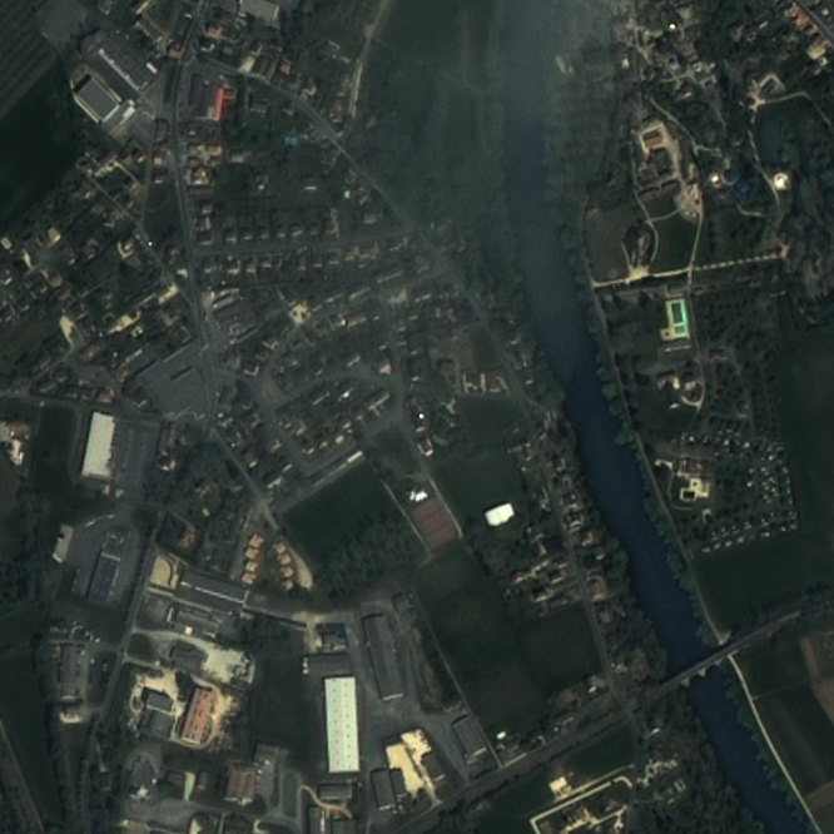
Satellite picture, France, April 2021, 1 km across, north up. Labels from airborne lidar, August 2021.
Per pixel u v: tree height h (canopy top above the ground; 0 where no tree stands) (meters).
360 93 11
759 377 6
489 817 0
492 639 0
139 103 0
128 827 0
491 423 0
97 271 0
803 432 0
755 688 0
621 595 21
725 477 10
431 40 0
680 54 8
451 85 8
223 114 10
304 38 18
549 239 0
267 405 0
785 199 16
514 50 0
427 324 8
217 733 0
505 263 40
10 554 0
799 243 14
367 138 18
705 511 0
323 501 0
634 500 0
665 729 6
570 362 0
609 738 0
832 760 0
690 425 0
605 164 8
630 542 0
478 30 0
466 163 12
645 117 7
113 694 0
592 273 9
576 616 0
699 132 19
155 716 0
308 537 0
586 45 12
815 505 0
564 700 0
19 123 0
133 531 0
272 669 0
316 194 0
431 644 11
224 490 19
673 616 0
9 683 0
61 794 14
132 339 8
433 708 0
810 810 0
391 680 0
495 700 0
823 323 8
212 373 0
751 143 17
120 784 8
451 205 0
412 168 25
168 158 0
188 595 0
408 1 0
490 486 0
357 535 0
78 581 0
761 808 0
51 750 16
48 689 19
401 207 8
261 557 0
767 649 14
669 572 7
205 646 0
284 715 0
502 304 14
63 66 6
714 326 9
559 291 0
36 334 0
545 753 0
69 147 0
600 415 0
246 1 0
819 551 0
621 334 15
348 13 9
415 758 0
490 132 23
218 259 7
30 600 32
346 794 0
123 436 0
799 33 6
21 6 10
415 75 0
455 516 0
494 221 10
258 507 0
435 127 26
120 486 0
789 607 19
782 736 0
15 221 0
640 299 0
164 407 0
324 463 0
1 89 11
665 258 0
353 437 0
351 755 0
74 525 0
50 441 0
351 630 0
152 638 0
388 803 0
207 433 0
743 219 0
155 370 0
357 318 0
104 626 0
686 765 10
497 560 13
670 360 0
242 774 0
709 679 0
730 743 0
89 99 0
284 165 13
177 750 0
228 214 13
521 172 0
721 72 11
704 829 10
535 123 0
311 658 0
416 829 0
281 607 0
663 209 0
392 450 0
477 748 0
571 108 20
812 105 9
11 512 0
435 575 0
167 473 8
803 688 0
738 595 0
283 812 0
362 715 0
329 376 0
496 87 18
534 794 0
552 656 0
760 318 9
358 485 0
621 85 17
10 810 12
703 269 7
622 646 8
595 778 0
